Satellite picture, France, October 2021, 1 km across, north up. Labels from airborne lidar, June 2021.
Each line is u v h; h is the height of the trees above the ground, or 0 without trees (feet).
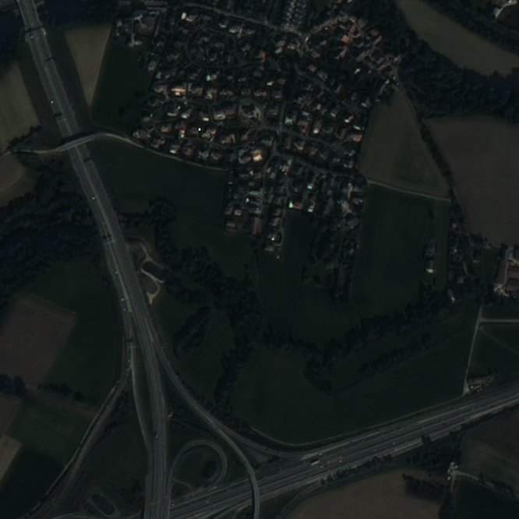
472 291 69
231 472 0
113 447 0
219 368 0
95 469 0
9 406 0
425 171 0
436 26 0
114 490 0
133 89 0
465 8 33
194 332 41
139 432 0
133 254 0
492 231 0
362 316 0
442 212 0
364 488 0
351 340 0
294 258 0
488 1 0
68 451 0
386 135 0
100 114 0
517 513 0
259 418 0
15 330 0
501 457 0
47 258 73
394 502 0
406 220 0
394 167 0
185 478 0
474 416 0
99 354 0
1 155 0
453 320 0
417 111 25
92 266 0
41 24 0
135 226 53
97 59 0
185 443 0
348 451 0
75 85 0
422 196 0
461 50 0
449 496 0
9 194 0
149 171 0
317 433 0
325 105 25
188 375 0
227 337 0
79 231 52
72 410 0
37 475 0
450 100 45
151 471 0
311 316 0
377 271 0
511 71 0
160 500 0
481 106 36
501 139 0
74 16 38
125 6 0
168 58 21
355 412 0
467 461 0
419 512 0
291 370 0
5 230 75
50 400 0
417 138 0
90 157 0
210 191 0
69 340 0
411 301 0
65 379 0
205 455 0
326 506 0
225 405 42
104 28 0
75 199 42
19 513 0
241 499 0
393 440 0
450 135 0
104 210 0
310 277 18
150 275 0
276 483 0
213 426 0
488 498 0
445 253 0
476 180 0
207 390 0
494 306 65
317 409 0
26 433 0
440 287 0
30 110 0
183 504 0
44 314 0
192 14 0
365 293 0
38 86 0
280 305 0
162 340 0
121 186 0
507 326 0
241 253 0
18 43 38
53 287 0
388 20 82
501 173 0
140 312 0
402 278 0
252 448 0
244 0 18
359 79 19
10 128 0
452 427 0
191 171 0
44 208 75
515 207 0
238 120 27
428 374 0
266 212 0
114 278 0
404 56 23
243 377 0
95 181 0
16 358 0
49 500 19
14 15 0
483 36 36
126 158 0
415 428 0
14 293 41
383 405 0
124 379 0
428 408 0
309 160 34
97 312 0
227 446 0
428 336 0
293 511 0
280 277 0
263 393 0
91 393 0
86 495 0
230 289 63
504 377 0
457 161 0
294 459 0
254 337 80
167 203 34
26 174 0
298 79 42
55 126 0
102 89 0
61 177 25
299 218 0
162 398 0
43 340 0
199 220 0
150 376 0
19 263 77
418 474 0
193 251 0
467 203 0
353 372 0
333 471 0
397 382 0
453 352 0
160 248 32
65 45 0
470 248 64
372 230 0
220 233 0
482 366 0
